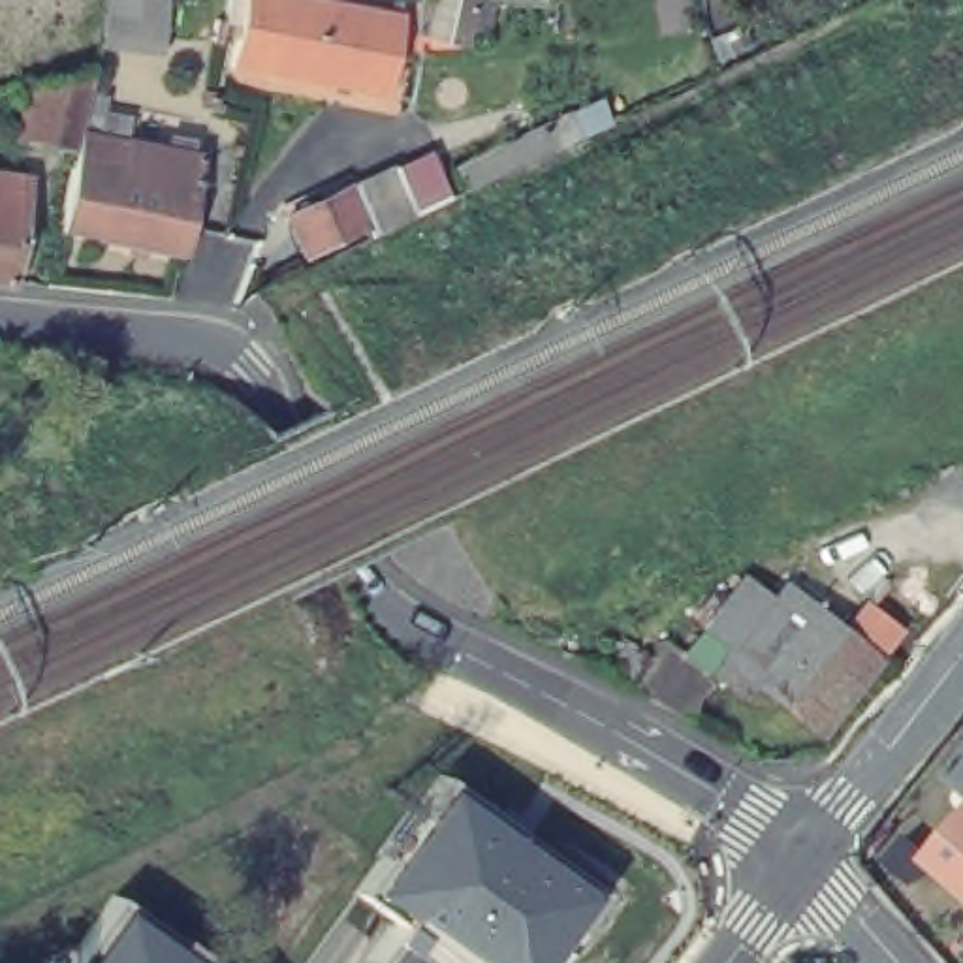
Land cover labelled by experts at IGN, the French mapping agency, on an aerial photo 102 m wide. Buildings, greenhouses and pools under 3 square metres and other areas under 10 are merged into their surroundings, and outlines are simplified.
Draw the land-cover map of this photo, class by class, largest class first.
<instances>
[{"label":"herbaceous vegetation","instance_id":"1","mask_svg":"<svg viewBox=\"0 0 963 963\"><path fill-rule=\"evenodd\" d=\"M109 0H0V87L19 79L79 71L87 64L109 68L117 75V60L113 53L98 49L105 41L102 19ZM229 15L226 0H173L177 23L169 30V41L196 38L199 26ZM865 0H549L542 8V23L527 38L497 34L436 53H406L399 113H421L425 124H455L523 102L527 64L557 41L594 45L587 71L613 94H621L639 98L655 87L696 75L715 49V38L741 34L737 53L726 60L734 68V79L790 60L820 41L835 49L839 64L816 68L794 87L771 90L749 109H734L715 124H703L696 132H666L647 150L632 158H613L609 181L587 192L557 196L542 203L534 214H523L500 229L466 226L444 237H429L418 218L387 237H372V245L357 256L342 245L320 260H308L305 271H290L260 293L275 308V339L290 354L305 395L327 403L339 418L357 414L376 399L354 350L339 335L331 312L324 308L327 290L339 293L350 324L372 354L384 384L391 387L418 384L436 369L482 354L489 342L508 339L515 327L530 320L549 316L564 301H594L624 278L655 271L677 248L711 245L726 237L734 226H745L749 218L771 207L801 203L813 188L843 173H854L861 162L884 158L899 143L963 117V38L948 41L944 15L925 8L910 11V30H884L880 23H869L865 30H843V19L831 11L858 8ZM316 113L312 102L271 94V135L263 139V147L275 158ZM30 158L0 154V169L34 177L38 237L45 233L49 177L56 173L68 181L71 173L83 177V162L75 154L45 139H30L26 147ZM677 406L662 403L651 414H636L613 425L609 433L591 436L576 455L560 463H538V474H508L500 485H489L485 493L448 508L451 527L459 534L463 553L478 560V568L485 572V587L497 598L512 594L519 617H549V632L557 636H576L579 647L613 651L609 628L632 636H639L636 647L643 651V658H655L651 639L658 636L688 651L703 639V624L692 621L696 602L711 594L715 602H730L726 583L734 576H749L767 591H782L779 572H790L801 594L824 602L843 624L858 621L854 598L839 594L831 583L820 579V534L839 530L854 519H888L895 512L914 508L940 470L963 466V263L944 267L925 286H914L910 293L892 297L873 312L846 316L824 327L816 339L786 346L775 361L752 369L734 384H718L696 399L677 395ZM184 414H139L124 429L109 414H102L87 444L68 459H30L26 451H19L11 463H0V587L38 583L49 564H56L60 557H75L90 538H105L128 512L199 489L248 463H263L282 448V429H267L256 414L233 403L211 425V440L188 429L181 421ZM873 560L884 568V613L903 624L899 643L910 651L929 624L918 609H910L899 598L910 568L892 549H869ZM955 583H963V564L937 560L925 583L933 602L944 609L955 598ZM436 681V673L387 647V639L372 628L354 583L320 587L305 594V606L267 591L263 598H252L218 617V624L207 628L199 639L184 643V636H169L139 658H120L105 666L83 692L49 700L38 707V715L15 718L0 730V925H15V933L34 948L41 963H68V955L94 933L109 899H132L143 922L169 933L177 944H207L214 929L203 914V899L229 895L237 888L248 895L256 888L282 903V948L271 952V963H308V955L331 933V925L361 903L357 888L372 873L380 846L395 831L399 816H429V790L418 782L410 794L391 801V779L399 767H406L433 745V734L444 722L421 711V696ZM718 703L734 718H741L749 734H760L779 745L813 737L809 722H801L790 707L775 703L764 692H718ZM451 779L463 782L466 797L504 816L519 835L534 839L557 861H564L587 884L609 895L613 884L624 880L632 903L621 910L617 925L606 937H598L594 944L583 940V948L572 952L576 963H647L655 948L666 940V933L677 925V910L670 907V873L655 858L628 850L583 816L568 813L560 801L545 797L530 767L482 741H478L451 767ZM948 794H955L952 775L937 767V775H925V797L899 805L903 831L910 835L922 824L929 831L948 816ZM922 910L929 929L955 952L959 963H963V907L929 873H922L903 892Z\"/></svg>","mask_w":963,"mask_h":963},{"label":"pervious surface","instance_id":"2","mask_svg":"<svg viewBox=\"0 0 963 963\"><path fill-rule=\"evenodd\" d=\"M963 263V117L899 143L884 158L861 162L854 173H843L813 188L801 203L771 207L749 218L745 226H734L726 237L711 245L677 248L655 271L624 278L594 301H564L549 316L530 320L515 327L508 339L489 342L482 354L436 369L418 384L391 387V403L376 399L357 414L339 418L335 425L308 429L312 444L297 451L293 444L282 448L263 463H248L199 489L128 512L105 538H90L75 557H60L56 564H49L38 583L0 587V730L15 718L38 715V707L49 700L83 692L105 666L120 658H139L169 636H184V643L199 639L207 628L218 624V617L252 598H263L267 591L305 606V594L320 587L354 583L357 568H372V560H380L384 553L418 542L429 530L451 527L448 508L485 493L489 485H500L508 474H538V463H560L576 455L591 436L609 433L613 425L636 414H651L662 403L677 406V395L696 399L718 384H734L752 369L775 361L786 346L816 339L824 327L846 316L873 312L892 297L910 293L914 286H925L944 267ZM102 271L162 275L166 263L162 252L113 245L102 252ZM869 549H892L910 568L899 598L910 609H918L929 624L910 651L903 673L880 692L865 707V718H876L899 696L903 681H910L922 670V662L963 613V583H955V598L944 609L933 602L925 583L937 560L963 564V508H948L937 519H922L914 508L895 512L888 519H854L839 530L820 534V579L831 583L839 594L854 598H884V568L873 560ZM482 741L530 767L560 771L564 779L624 805L628 813L658 824L677 839L696 835V816L692 809L662 797L647 782L609 767L594 752L523 715L519 707H512ZM850 839L843 861L861 865L865 876L884 888V895L899 907L914 933L937 948L944 963H959L955 952L929 929L922 910L903 892L873 863L903 831L899 805L892 801L888 809H880L869 831L846 828Z\"/></svg>","mask_w":963,"mask_h":963},{"label":"impervious surface","instance_id":"3","mask_svg":"<svg viewBox=\"0 0 963 963\"><path fill-rule=\"evenodd\" d=\"M387 11L406 15V53H436L425 30L433 26L436 0H387ZM237 41V26L229 15L199 26L196 38L169 41L158 45L154 56L124 53L117 60V90L109 94V113L132 117L135 139L143 143L166 147V124H203L207 132H214L207 143H199L207 158L199 241L196 252L184 260L188 267L169 297L68 282H0V342H11V346H26V350H56L64 361H71L75 354L102 357L113 380H120L124 372L192 380L214 387L233 403L256 414L267 429H282V448L293 444L297 451L312 444L308 429L335 425L339 418L327 403L305 395L290 354L275 339V308L260 293L252 290V278L260 260H282L293 252L286 245L290 214L297 207L324 203L342 188H354L361 181H372L421 158H436L448 177L455 169V147L497 132L504 120L530 117L523 102L455 124H425L421 113H399L387 117L312 102L316 113L275 158L271 169L256 177L248 192V214L241 218L229 211L241 143L237 124L226 120L218 98L207 94L203 56L211 49L229 53ZM324 308L331 312L339 335L354 350L376 399L391 403V387L384 384L372 354L350 324L339 293L327 290ZM948 508H963V466L940 470L914 508L922 519H937ZM372 628L387 639V647L436 673V681L421 696V711L444 722L474 734L478 741H482L512 707H519L523 715L594 752L609 767L647 782L662 797L692 809L696 816V835L677 839L658 824L628 813L624 805L564 779L560 771L530 767L545 797L560 801L568 813L583 816L628 850L655 858L670 873V907L677 910V925L666 933V940L655 948L647 963H944L937 948L914 933L899 907L884 895V888L865 876L861 865L843 861L850 839L846 828L869 831L880 809H888L892 801L899 805L925 797V775H937V767L952 775L955 794H963V613L922 662V670L910 681H903L899 696L876 718H865V707L880 692L865 688L850 707L846 722L839 745L824 756L775 760L745 764L726 749L707 745L703 734H696L700 711L670 707L666 700H624L606 685L583 677L576 670L579 647L576 636H557L545 651H538L497 632L485 621V609L497 606V598L485 587V572L478 568V560L463 553L459 534L451 527L429 530L418 542L384 553L380 560H372V568H357L354 583ZM929 839V831L922 824L910 835L903 831L873 863L903 892L922 873L914 865V854ZM632 903L624 880L613 884L609 895L606 914L583 940L594 944L598 937H606L617 925L621 910ZM384 918L361 903L331 925V933L308 955V963H372Z\"/></svg>","mask_w":963,"mask_h":963},{"label":"building","instance_id":"4","mask_svg":"<svg viewBox=\"0 0 963 963\"><path fill-rule=\"evenodd\" d=\"M177 23L173 0H109L102 19L105 41L98 49L113 53L117 60L124 53L154 56L158 45L169 41V30ZM387 0H226L229 15L237 26V41L229 53V75L245 87L271 94L312 102L387 117L399 113L406 53V15L387 11ZM504 4L542 8L549 0H436L433 26L425 30L436 53L497 34V11ZM741 34L715 38V49L718 60H726L737 53ZM166 147L143 143L135 139L132 117L109 113V94H60L56 83L38 87L30 109L23 113L26 147L30 139H45L75 154L83 162V177L71 173L68 181L64 237L83 241V267L102 271V252L113 245L162 252L166 263L184 260L196 252L199 241L207 158L199 143H207L214 132H207L203 124H166ZM624 109L621 94H613L609 102H594L579 113L560 117L557 124L523 135L519 143L497 147L459 169L482 192L493 181L545 169L549 162L576 154L587 139L613 128V117ZM451 207L448 177L436 158H421L372 181H361L354 188H342L324 203L297 207L290 214L286 245L293 252L308 260H320L342 245L357 256L372 245V237H387L418 218ZM38 237L34 177L0 169V282H38L30 260ZM782 591H767L749 576H734L726 583L730 602H715L711 594L696 602L692 621L703 624V639L688 651L658 636L651 639L655 658H643V651L636 647L639 636H632L617 643V655L628 662V673L643 685L636 700H666L670 707L700 711L703 703H718V692H764L775 703L790 707L801 722H809L813 737H824L839 722H846L850 707L865 688L880 692L903 673L910 651L899 643L903 624L884 613V598H854L858 621L843 624L824 602L801 594L790 572H779ZM361 903L384 918L372 963H576L572 952L583 948V940L606 914L609 895L587 884L564 861H557L534 839L519 835L504 816L466 797L463 782L451 779H436L429 790V816H399L395 831L380 846L372 873L357 888ZM914 865L922 873H929L963 907V794H948V816L929 831V839L914 854ZM214 948L207 944H177L169 933L143 922L132 899H109L94 933L68 955V963H214Z\"/></svg>","mask_w":963,"mask_h":963},{"label":"deciduous trees","instance_id":"5","mask_svg":"<svg viewBox=\"0 0 963 963\"><path fill-rule=\"evenodd\" d=\"M925 8L944 15L948 41L963 38V0H865L858 8L831 11L843 19V30H865L869 23H880L884 30H910V11ZM542 23V8L504 4L497 11V34L527 38ZM594 45L557 41L527 64L523 102L530 117H553L557 124L560 117L579 113L594 102H609L613 94L587 71ZM839 64L835 49L820 41L790 60L734 79L707 90L696 105L670 109L639 128H613L587 139L576 154L549 162L545 169L493 181L482 192L459 169H455L448 177L451 207L418 218L429 237H444L466 226L500 229L523 214H534L542 203L557 196L587 192L609 181L613 158H632L647 150L666 132H696L703 124H715L734 109H749L771 90L794 87L816 68ZM56 83L60 94H109L117 90V75L109 68L87 64L79 71L19 79L0 87V154L30 158L26 147L23 113L30 109L38 87ZM68 181L56 173L49 177L45 233L38 237L30 260L38 282H68L64 267H83V241L64 237ZM23 372L30 376L26 384H15V380L0 376V463H11L19 451H26L30 459H68L87 444L102 414H109L124 429L139 414H184L181 421L188 429L211 440V425L233 403L214 387L192 380L124 372L120 380H113L102 357L75 354L71 361H64L56 350H30V354L23 357ZM485 621L497 632L538 651H545L557 636L549 632V617H519L512 594L497 598V606L485 609ZM632 636L609 628L613 651L579 647L576 670L583 677L606 685L624 700H636L643 685L628 673V662L617 655V643ZM696 734H703L707 745L726 749L745 764L775 760L779 745L760 734H749L741 718H734L718 703H703L700 711ZM478 741L474 734L444 722L433 734V745L406 767H399L391 779V801L410 794L418 782L429 790L436 779H451V767ZM282 903L256 888L248 895L237 888L229 895L203 899V914L214 929L207 944L214 948V963H271V952L282 948ZM0 963H41L34 948L15 933V925H0Z\"/></svg>","mask_w":963,"mask_h":963},{"label":"brushwood","instance_id":"6","mask_svg":"<svg viewBox=\"0 0 963 963\"><path fill-rule=\"evenodd\" d=\"M229 53L211 49L203 56L207 94L218 98L226 120L237 124L241 143L229 211L241 218L248 214V192L256 177L271 169L275 158L263 147V139L271 135V94L245 87L229 75ZM734 79V68L726 60H718L715 49L696 75L655 87L639 98L621 94L624 109L613 117V128H639L670 109L696 105L707 90ZM557 124L553 117H530L504 120L497 132L455 147V169H459L497 147L519 143L523 135ZM308 260L293 252L282 260H260L252 278V290L260 293L290 271H305ZM188 267L184 260L166 263L162 275L102 271L83 267H64L68 282L169 297ZM30 354V350H26V346H11V342H0V376L15 380V384H26L30 376L23 372V357ZM846 722H839L824 737H813L779 745L775 760L824 756L839 745Z\"/></svg>","mask_w":963,"mask_h":963}]
</instances>
